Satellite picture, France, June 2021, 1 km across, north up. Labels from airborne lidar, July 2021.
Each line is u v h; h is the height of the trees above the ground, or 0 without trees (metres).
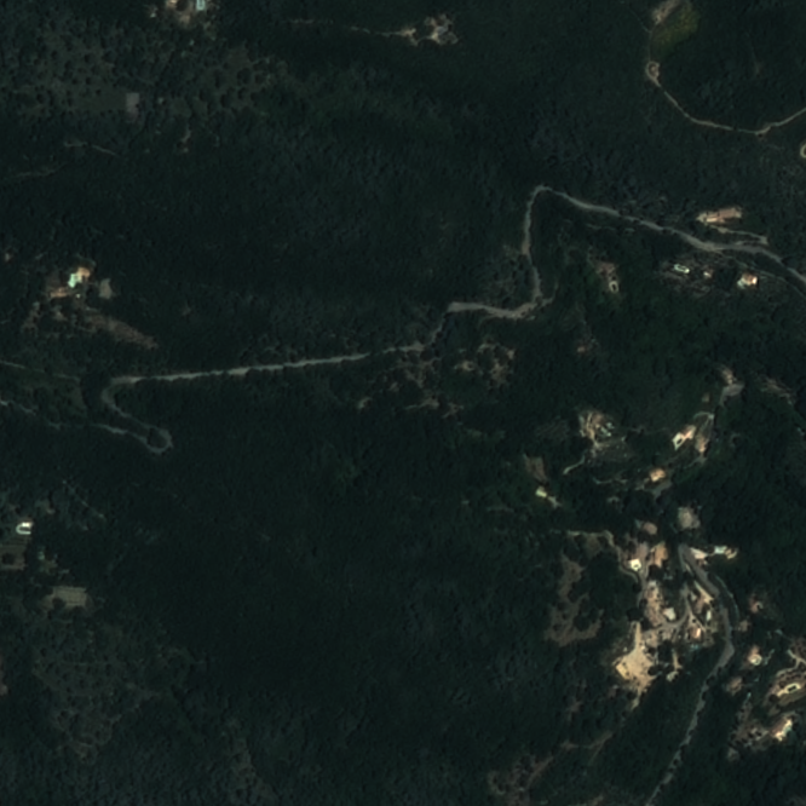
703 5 11
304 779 11
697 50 8
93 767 10
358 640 11
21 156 10
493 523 12
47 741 13
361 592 7
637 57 7
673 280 6
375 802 15
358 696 12
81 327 9
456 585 15
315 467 7
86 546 15
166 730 14
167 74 13
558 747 14
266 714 11
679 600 0
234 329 13
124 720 8
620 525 14
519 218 14
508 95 13
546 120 15
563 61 9
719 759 16
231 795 14
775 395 9
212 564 13
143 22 12
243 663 17
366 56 14
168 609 15
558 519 14
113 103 0
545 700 12
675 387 18
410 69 11
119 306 11
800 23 7
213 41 9
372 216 18
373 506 15
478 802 11
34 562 13
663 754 9
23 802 10
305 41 9
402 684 12
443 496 13
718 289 7
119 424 15
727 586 7
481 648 12
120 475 11
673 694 12
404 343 19
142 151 10
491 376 10
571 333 12
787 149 7
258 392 8
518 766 7
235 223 12
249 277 14
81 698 10
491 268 17
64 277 11
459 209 9
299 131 20
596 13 10
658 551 0
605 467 9
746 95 10
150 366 10
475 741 15
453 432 13
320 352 13
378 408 15
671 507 25
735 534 18
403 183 13
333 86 10
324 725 16
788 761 14
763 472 15
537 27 10
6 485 14
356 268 14
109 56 14
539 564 10
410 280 11
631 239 13
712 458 15
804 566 11
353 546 9
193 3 0
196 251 15
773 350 21
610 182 7
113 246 16
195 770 19
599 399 18
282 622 11
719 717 12
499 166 14
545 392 21
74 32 16
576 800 7
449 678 11
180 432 13
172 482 8
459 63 9
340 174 16
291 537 9
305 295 16
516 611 22
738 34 6
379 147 15
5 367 17
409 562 13
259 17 8
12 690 12
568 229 10
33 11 14
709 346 6
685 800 17
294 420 16
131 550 11
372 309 8
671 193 20
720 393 7
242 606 14
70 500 13
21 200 14
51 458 12
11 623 12
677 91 8
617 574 8
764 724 6
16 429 14
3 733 11
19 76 13
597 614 13
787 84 7
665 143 7
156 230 13
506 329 15
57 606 12
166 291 9
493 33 8
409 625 19
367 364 12
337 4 9
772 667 7
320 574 7
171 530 11
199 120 13
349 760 12
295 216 16
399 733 14
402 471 16
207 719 10
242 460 9
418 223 14
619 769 12
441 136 8
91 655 7
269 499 9
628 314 10
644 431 7
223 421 15
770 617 6
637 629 0
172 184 8
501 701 13
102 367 13
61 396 7
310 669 18
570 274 10
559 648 10
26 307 14
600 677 16
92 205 12
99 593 16
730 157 7
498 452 10
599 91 10
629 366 10
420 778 11
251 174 8
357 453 16
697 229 23
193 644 14
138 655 14
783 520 8
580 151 7
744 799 16
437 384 7
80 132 13
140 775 15
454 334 20
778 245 9
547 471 7
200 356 16
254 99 10
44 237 13
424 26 8
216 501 8
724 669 11
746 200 10
